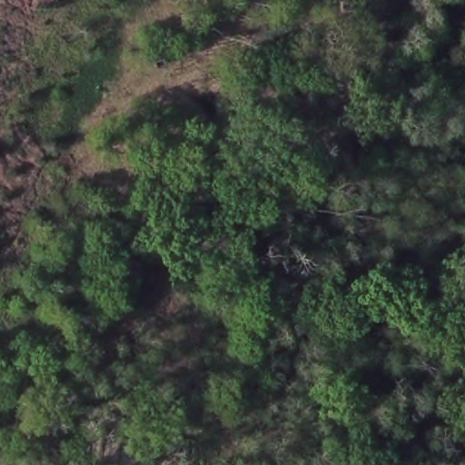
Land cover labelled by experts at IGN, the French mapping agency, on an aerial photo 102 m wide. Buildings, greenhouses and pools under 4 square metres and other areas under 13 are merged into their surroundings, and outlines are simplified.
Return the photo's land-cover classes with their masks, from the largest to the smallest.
<instances>
[{"label":"deciduous trees","instance_id":"1","mask_svg":"<svg viewBox=\"0 0 465 465\"><path fill-rule=\"evenodd\" d=\"M269 22L278 25L276 35L258 45V49H243L240 64L227 67V62L222 56L213 58L214 74H218L220 78L216 104L229 120L227 129L213 124H198L193 118L185 120L174 107L163 104L162 98H156L153 93L140 96V104L131 109L129 116H107L102 120V125H96L93 131L85 136L84 143L87 149L91 153H105L109 145L127 143V154L131 163L127 167L111 169L105 173L91 176L87 174L84 180H74L73 191L78 196V202L69 207H65L64 202L60 200V194L54 191L47 196H40L38 193L29 196L27 209L36 211L38 218L31 220L33 234L25 236L24 231L15 234L13 245L20 254V260L15 265L20 267L15 276V287L18 289L16 296L13 300L0 298V465H96L100 458L94 456L93 440L100 438H105L111 443L114 450V465H465V0H189L187 13H183L182 16H169L165 20H158L154 24L142 27L143 35L149 38L147 60L151 64H156V67L173 64L182 56L189 58L194 51L209 49L225 36H245L254 25ZM73 36H84L80 54L84 56L85 62H89V54L94 51L93 33L87 27L74 24ZM18 107L9 104L5 109V118L11 120V133H24V122H15ZM36 165L47 176L53 178V182L64 176L65 169L62 165H53L45 162L44 158H38Z\"/></svg>","mask_w":465,"mask_h":465},{"label":"clear cut","instance_id":"2","mask_svg":"<svg viewBox=\"0 0 465 465\"><path fill-rule=\"evenodd\" d=\"M189 0H102L105 15L89 20L87 27L93 33L94 29L109 31L116 24L111 16L122 18L125 24L124 40L118 65V73L122 76L120 80L102 82V102L94 107L93 113L84 118L80 131L69 134L58 133V122L64 114V102L60 98L62 93H74L76 76H80L82 71L74 67L73 71L58 74L53 62L42 65V62L33 58V54L35 49L42 47L47 35L62 36L67 44H73V36L74 24V16L82 9L78 0H0V271L15 265L20 260V254L13 245L15 234L24 231L25 236L33 234L31 220L38 218L36 211L27 209L29 196L38 193L40 196H47L54 191L60 194V200L64 202L65 207H69L78 202V196L73 191L74 180H84L87 174L91 176L105 173L111 169L127 167L131 163L127 154V143L109 145L105 153H91L87 149L84 143L85 136L93 131L96 125H102V120L107 116H129L131 109L140 104V96L153 93L156 98H162L163 104L174 107L185 120L193 118L198 124H213L227 129L229 120L216 104L220 78L218 74H214L213 58L222 56L227 62V67L240 64L243 49H258V45L276 35L278 25L269 22L254 25L245 36H225L209 49L194 51L189 58L182 56L173 64L156 67V64H151L147 60L149 38L143 35L142 27L154 24L158 20H165L169 16H182L183 13H187ZM9 104L18 107L15 122H24V133H11V120L5 118V109ZM38 158H44L45 162L53 165H62L65 169L64 176L53 182V178L47 176L36 165Z\"/></svg>","mask_w":465,"mask_h":465},{"label":"herbaceous vegetation","instance_id":"3","mask_svg":"<svg viewBox=\"0 0 465 465\"><path fill-rule=\"evenodd\" d=\"M82 9L74 16V24L87 27L89 20L105 15L102 0H78ZM116 24L109 31L94 29L93 33L94 51L89 54V62H85L84 56L80 54L84 36H73V44H67L62 36L47 35L42 47L35 49L33 54V58L42 62V65L53 62L58 74L73 71L74 67L82 71L80 76H76L74 93H62L60 98L64 102V114L58 122V133L69 134L80 131L84 118L93 113L94 107L102 102V82L120 80L122 76L118 73V65L124 40L125 24L122 18L111 16Z\"/></svg>","mask_w":465,"mask_h":465},{"label":"brushwood","instance_id":"4","mask_svg":"<svg viewBox=\"0 0 465 465\"><path fill-rule=\"evenodd\" d=\"M20 267L15 265L0 271V298L13 300L16 296L18 289L15 287V276Z\"/></svg>","mask_w":465,"mask_h":465},{"label":"pervious surface","instance_id":"5","mask_svg":"<svg viewBox=\"0 0 465 465\"><path fill-rule=\"evenodd\" d=\"M94 456L100 458L96 465H114V450L111 443L105 438H100L93 440Z\"/></svg>","mask_w":465,"mask_h":465}]
</instances>
